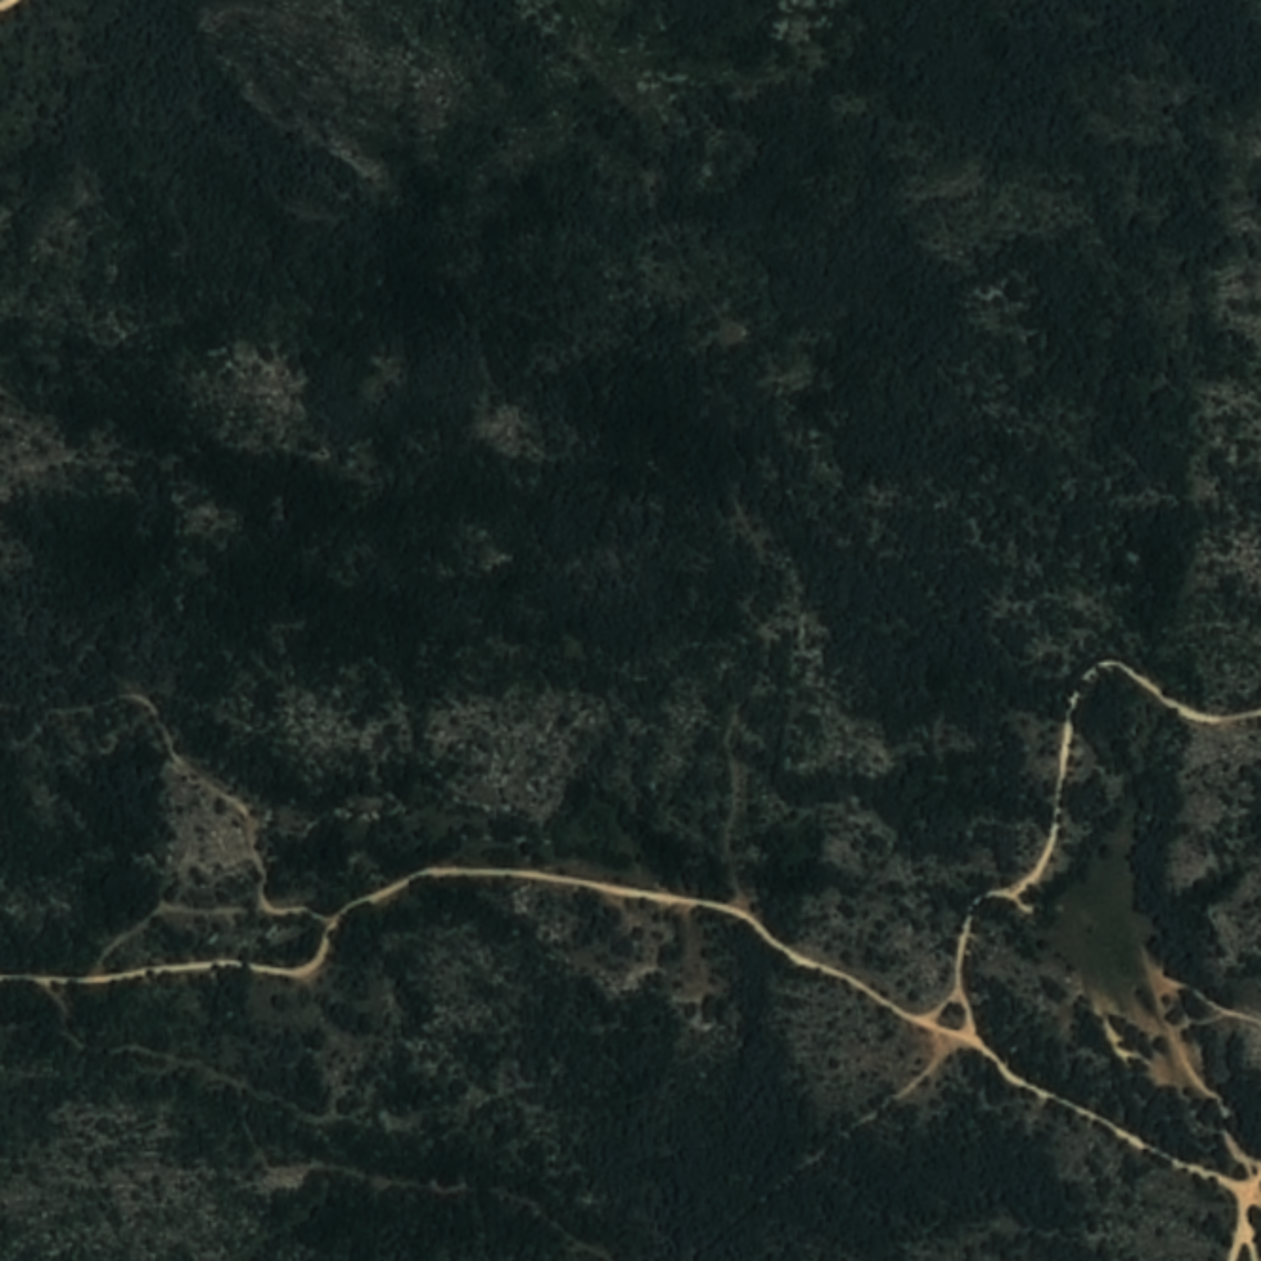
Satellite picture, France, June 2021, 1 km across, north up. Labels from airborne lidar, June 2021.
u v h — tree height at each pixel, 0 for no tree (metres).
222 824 0
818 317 11
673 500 6
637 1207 11
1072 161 6
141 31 10
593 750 6
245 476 7
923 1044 0
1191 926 9
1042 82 13
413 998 7
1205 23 8
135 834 7
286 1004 7
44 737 7
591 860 7
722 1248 9
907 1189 8
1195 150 8
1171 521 11
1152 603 10
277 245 6
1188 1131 12
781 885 9
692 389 6
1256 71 7
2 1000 6
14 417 0
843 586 12
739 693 8
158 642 8
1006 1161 10
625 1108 6
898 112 7
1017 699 9
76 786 8
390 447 7
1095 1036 9
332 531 6
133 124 10
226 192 6
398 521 9
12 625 10
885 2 12
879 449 9
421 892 7
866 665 7
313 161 8
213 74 6
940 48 9
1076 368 8
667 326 7
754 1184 9
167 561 6
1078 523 10
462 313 6
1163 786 12
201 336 6
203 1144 7
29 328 7
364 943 9
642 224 7
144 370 6
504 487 6
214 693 6
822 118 9
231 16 0
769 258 9
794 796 11
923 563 10
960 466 9
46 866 6
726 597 7
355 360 10
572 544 10
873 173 10
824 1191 12
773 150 10
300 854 7
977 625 10
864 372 11
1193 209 7
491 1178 9
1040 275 9
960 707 8
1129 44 9
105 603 9
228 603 8
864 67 14
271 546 10
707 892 6
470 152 8
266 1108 6
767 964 7
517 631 7
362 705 6
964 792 9
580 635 6
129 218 7
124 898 9
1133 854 10
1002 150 6
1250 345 6
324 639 8
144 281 8
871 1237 9
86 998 7
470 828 6
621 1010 6
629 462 6
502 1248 6
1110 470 7
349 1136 6
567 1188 7
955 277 7
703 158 9
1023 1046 11
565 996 9
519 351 6
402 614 9
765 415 8
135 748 6
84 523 6
